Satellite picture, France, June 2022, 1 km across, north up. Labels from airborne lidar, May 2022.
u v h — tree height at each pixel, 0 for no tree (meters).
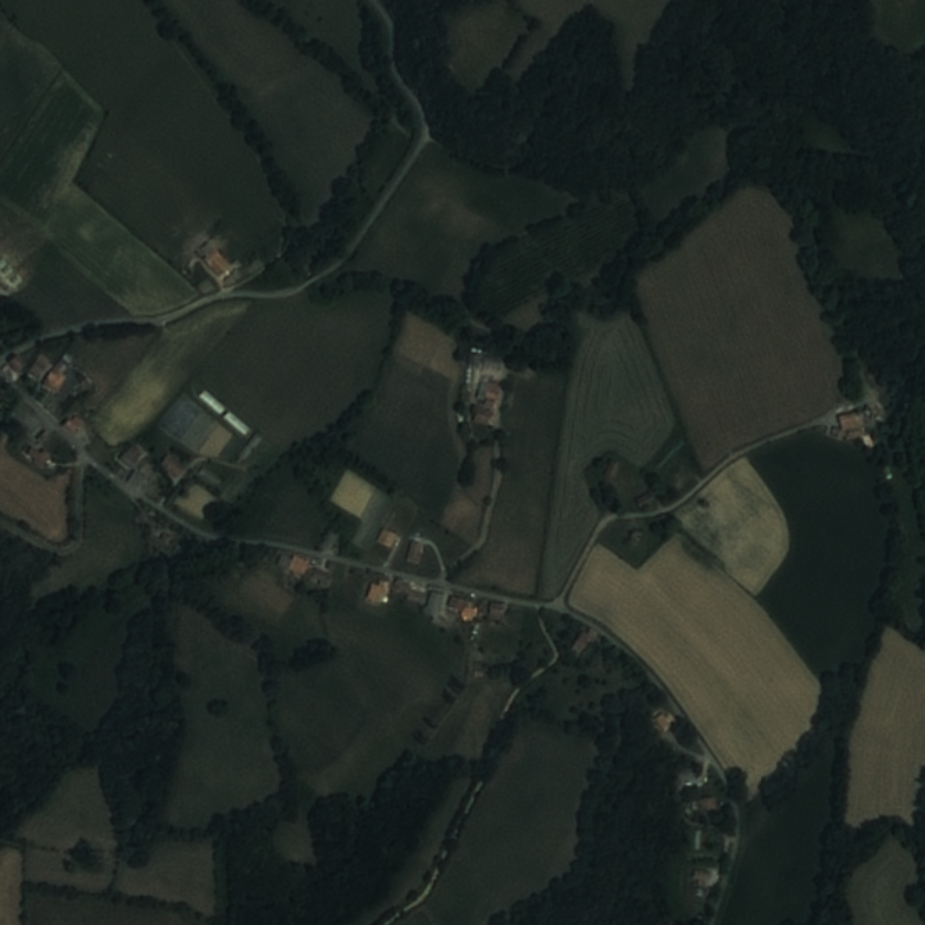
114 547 0
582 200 14
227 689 0
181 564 22
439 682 0
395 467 0
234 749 0
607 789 13
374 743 0
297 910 32
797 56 28
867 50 24
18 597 25
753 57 25
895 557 18
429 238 0
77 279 0
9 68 0
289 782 8
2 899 0
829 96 26
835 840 26
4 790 11
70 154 0
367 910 7
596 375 0
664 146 27
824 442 0
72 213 0
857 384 21
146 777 24
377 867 18
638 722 17
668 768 8
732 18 26
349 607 0
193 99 0
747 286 0
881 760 0
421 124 0
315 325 0
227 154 0
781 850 0
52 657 0
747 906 0
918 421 31
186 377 0
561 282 24
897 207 23
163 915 0
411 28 18
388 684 0
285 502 0
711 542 0
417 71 19
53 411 0
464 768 16
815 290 18
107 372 0
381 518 0
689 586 0
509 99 20
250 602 0
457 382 0
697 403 0
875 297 22
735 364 0
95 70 0
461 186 0
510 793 0
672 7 15
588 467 0
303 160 0
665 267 0
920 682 0
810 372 0
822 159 21
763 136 28
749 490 0
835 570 0
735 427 0
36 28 0
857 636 0
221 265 0
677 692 0
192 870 0
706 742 0
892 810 0
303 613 0
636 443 0
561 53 22
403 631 0
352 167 9
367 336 0
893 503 14
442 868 11
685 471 0
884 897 0
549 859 0
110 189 0
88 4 0
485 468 0
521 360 17
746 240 0
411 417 0
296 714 0
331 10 0
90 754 20
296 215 11
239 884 13
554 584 0
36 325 12
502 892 0
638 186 27
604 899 17
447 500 0
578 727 10
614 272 21
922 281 21
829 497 0
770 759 0
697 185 0
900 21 0
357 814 19
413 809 21
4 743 17
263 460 0
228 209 0
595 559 0
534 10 0
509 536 0
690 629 0
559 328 22
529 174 15
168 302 0
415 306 17
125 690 10
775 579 0
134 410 0
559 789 0
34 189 0
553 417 0
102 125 0
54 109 0
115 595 20
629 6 0
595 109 13
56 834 0
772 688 0
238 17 0
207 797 0
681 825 19
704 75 23
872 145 27
